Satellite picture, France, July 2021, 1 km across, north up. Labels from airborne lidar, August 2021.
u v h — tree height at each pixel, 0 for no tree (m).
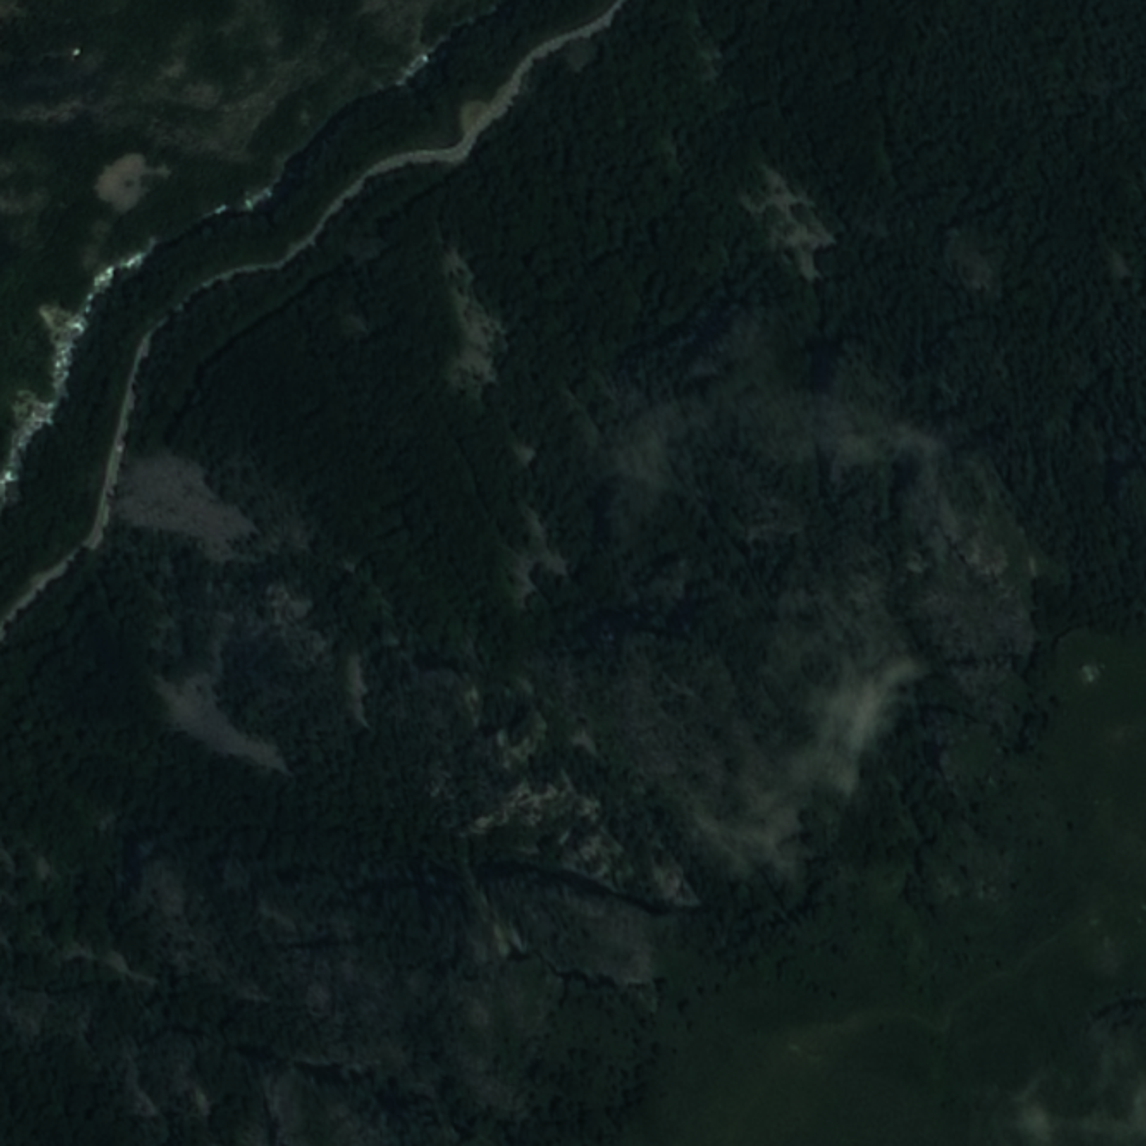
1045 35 13
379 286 16
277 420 22
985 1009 0
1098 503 15
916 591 9
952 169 11
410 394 18
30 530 13
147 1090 10
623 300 25
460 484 15
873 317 16
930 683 20
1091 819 0
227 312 16
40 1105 10
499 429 18
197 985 18
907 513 9
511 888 6
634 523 9
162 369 16
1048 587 12
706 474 14
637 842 14
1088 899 0
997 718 8
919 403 16
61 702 15
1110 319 9
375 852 20
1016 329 13
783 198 0
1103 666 0
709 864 19
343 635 8
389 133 15
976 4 12
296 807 10
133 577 8
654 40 13
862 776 11
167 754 9
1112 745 0
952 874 0
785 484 8
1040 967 0
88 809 6
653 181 15
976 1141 0
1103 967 0
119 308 15
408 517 12
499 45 7
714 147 18
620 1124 12
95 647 16
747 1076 0
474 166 13
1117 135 10
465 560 23
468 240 16
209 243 16
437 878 13
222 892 12
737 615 7
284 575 9
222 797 17
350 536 18
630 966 0
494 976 0
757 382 16
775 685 9
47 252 17
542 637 8
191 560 17
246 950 8
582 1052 8
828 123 25
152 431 8
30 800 6
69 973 10
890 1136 0
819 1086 0
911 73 13
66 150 17
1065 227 13
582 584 24
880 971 0
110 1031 15
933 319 20
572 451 19
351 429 24
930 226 15
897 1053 0
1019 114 12
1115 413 16
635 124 18
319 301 25
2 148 12
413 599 18
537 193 20
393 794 6
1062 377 8
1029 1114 0
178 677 8
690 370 8
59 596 15
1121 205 9
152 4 20
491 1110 8
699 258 13
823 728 8
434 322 23
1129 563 13
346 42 18
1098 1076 0
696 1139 0
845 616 14
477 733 7
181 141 6
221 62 9
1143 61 7
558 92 14
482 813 8
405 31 8
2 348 8
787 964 9
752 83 26
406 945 13
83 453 13
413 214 21
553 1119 8
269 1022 16
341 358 31
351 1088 30
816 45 22
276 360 19
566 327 10
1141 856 0
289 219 17
